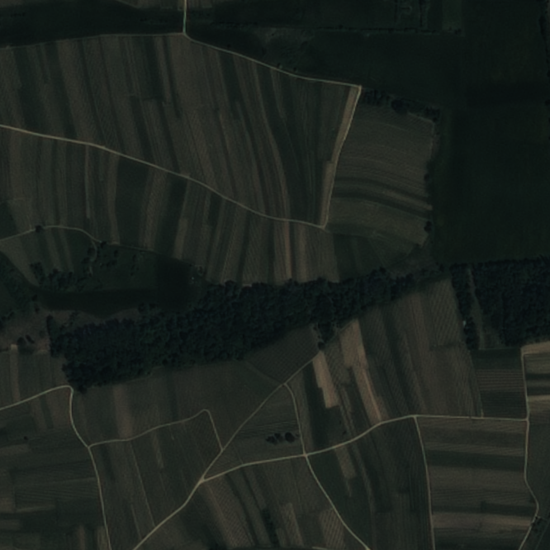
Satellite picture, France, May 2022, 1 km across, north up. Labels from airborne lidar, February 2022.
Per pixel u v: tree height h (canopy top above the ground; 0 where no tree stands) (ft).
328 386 0
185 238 0
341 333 0
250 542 0
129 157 0
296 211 0
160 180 0
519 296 65
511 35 0
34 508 0
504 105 0
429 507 0
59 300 0
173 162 0
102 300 0
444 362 0
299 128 0
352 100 0
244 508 0
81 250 0
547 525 0
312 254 0
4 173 0
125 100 0
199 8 0
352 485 0
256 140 0
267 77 0
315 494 0
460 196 0
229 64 0
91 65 0
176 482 0
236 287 63
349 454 0
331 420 0
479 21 0
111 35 0
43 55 0
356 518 0
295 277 0
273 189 0
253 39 0
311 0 0
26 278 0
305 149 0
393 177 0
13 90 0
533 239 0
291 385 0
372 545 0
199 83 0
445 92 0
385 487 0
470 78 0
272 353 0
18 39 0
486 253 0
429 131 0
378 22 0
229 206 0
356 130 0
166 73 0
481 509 0
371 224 0
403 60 0
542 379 0
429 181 35
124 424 0
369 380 0
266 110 0
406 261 0
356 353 0
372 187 0
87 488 0
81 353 78
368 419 0
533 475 0
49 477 0
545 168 0
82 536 0
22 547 0
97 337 100
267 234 0
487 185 0
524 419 0
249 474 0
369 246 0
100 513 0
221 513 0
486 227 0
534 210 0
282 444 0
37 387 0
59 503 0
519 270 64
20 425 0
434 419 0
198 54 0
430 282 0
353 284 33
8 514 0
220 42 0
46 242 0
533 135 0
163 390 0
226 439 0
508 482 0
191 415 0
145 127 0
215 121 0
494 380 0
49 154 0
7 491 0
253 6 0
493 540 0
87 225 0
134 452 0
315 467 0
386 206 0
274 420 0
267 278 0
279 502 0
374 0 0
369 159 0
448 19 0
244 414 0
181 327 66
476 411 0
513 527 0
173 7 0
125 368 64
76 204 0
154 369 0
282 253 0
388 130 0
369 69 0
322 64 0
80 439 0
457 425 0
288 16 0
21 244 0
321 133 0
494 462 0
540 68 0
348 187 0
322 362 0
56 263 0
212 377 0
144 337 77
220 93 0
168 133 0
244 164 0
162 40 0
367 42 0
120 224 0
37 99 0
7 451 0
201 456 0
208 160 0
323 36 0
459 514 0
